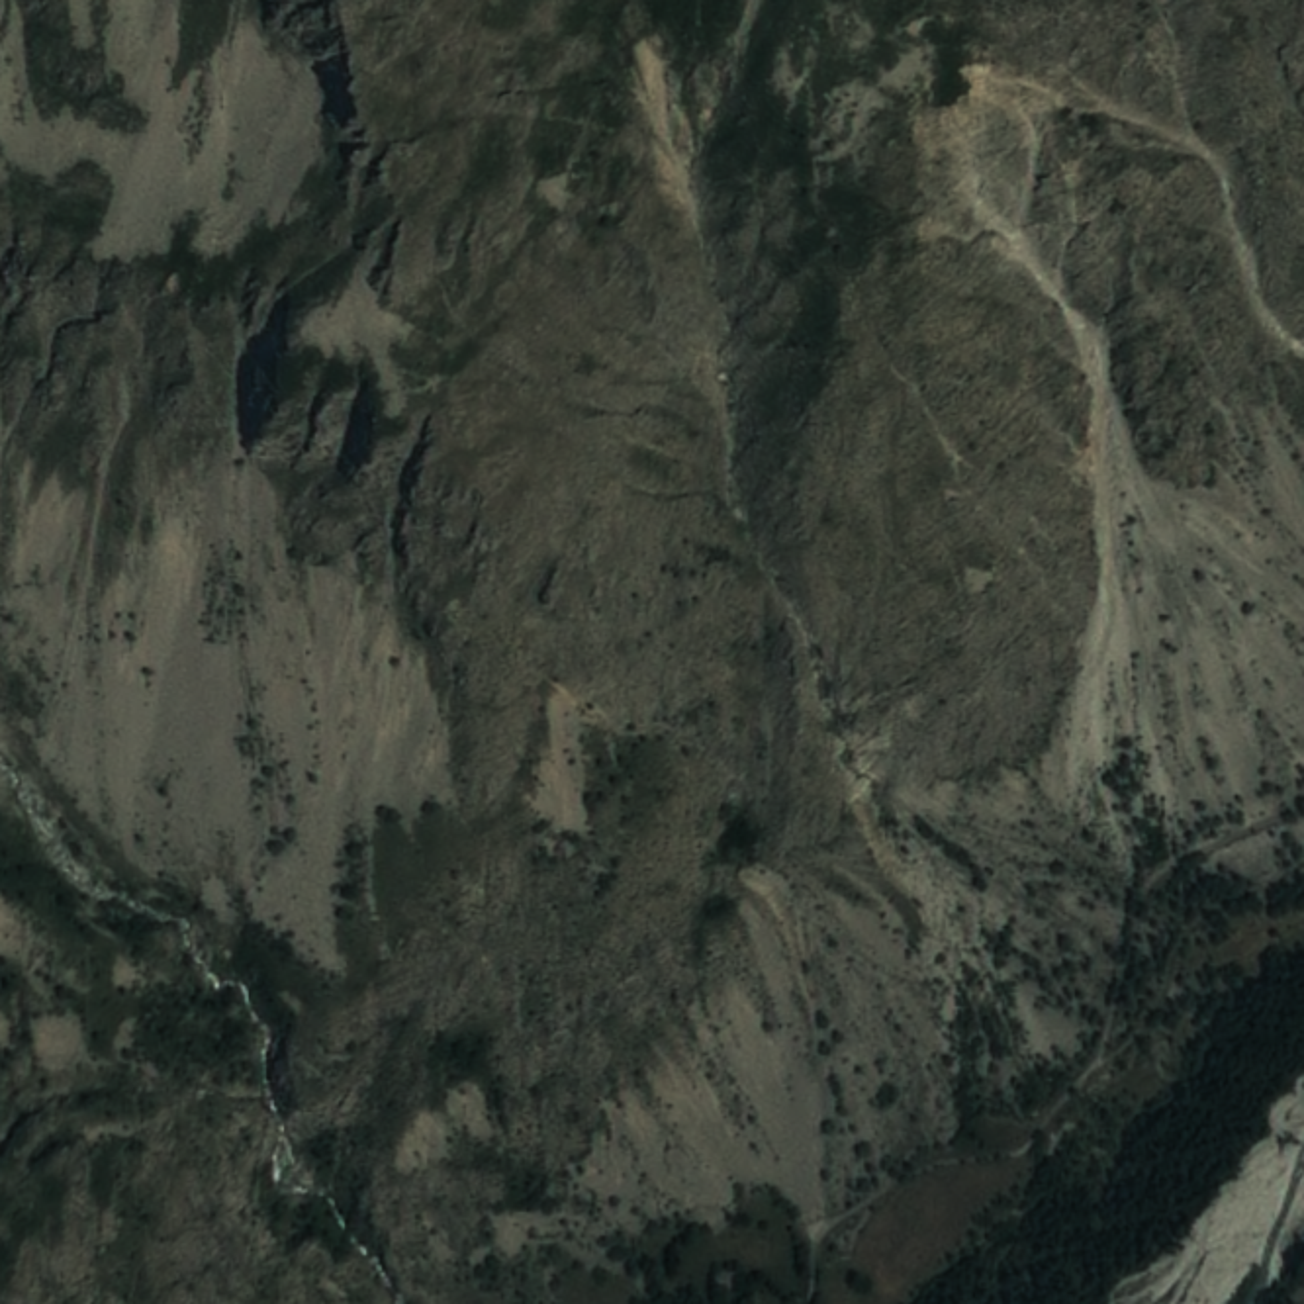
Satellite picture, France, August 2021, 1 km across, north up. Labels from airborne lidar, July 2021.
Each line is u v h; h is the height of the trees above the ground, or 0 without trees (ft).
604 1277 44
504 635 0
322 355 0
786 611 0
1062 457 0
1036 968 26
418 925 0
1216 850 0
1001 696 0
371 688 0
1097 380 0
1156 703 0
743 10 0
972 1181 0
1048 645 0
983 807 0
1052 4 0
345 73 0
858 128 0
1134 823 24
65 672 0
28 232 0
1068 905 0
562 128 0
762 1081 0
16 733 0
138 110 0
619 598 0
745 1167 0
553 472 0
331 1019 0
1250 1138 54
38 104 0
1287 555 0
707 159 0
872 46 0
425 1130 0
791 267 0
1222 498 0
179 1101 0
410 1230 0
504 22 0
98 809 0
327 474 0
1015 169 0
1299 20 0
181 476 0
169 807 0
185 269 0
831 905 0
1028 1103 33
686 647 0
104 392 0
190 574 0
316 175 0
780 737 0
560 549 0
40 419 0
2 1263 0
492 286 0
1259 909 56
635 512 0
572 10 0
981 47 0
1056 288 0
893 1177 31
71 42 0
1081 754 0
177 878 0
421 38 0
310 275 0
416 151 0
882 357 0
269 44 0
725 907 27
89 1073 0
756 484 0
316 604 0
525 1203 22
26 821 0
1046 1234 48
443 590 0
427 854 0
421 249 0
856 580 0
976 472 0
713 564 33
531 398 0
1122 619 0
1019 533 0
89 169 0
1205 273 19
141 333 0
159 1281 0
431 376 0
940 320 0
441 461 0
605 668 0
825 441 0
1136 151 0
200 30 0
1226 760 0
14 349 0
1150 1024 33
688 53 0
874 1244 0
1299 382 0
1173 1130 42
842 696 0
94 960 0
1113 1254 21
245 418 40
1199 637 0
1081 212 0
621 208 0
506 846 0
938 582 0
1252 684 0
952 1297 31
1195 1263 0
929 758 0
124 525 0
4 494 0
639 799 0
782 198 0
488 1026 0
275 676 0
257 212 0
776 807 0
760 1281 37
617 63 0
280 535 0
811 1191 0
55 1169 0
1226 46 0
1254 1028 85
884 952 0
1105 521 0
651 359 0
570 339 0
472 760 0
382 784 0
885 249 0
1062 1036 0
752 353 0
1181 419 19
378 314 0
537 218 0
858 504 0
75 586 0
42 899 0
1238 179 0
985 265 0
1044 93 0
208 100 0
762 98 0
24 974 0
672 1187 0
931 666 0
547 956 0
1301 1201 0
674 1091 0
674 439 0
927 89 0
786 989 0
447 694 0
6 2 0
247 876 0
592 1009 29
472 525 0
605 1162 0
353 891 25
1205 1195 36
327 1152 25
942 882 0
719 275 0
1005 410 0
